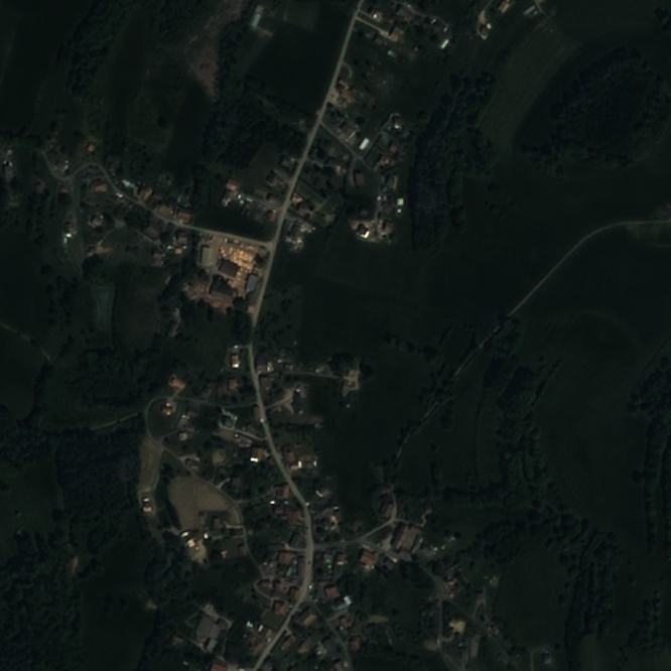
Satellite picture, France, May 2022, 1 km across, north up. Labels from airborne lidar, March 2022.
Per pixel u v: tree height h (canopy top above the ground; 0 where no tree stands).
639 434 0
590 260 0
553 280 0
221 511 0
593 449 0
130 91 0
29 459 21
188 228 0
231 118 24
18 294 0
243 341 22
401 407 0
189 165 0
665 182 0
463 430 0
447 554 0
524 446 15
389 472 11
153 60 0
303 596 0
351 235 0
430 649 0
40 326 0
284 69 0
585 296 0
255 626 6
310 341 0
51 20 0
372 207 0
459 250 0
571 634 10
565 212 0
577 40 0
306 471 6
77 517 22
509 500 30
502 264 0
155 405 0
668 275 0
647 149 0
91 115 9
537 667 0
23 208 0
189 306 22
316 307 0
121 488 16
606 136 13
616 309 0
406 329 0
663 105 7
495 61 0
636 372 0
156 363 0
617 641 0
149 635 0
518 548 9
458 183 19
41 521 0
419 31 15
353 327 0
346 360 16
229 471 6
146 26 0
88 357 9
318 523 7
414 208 26
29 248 0
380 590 0
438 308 0
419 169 9
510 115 0
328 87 0
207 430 0
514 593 0
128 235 0
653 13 0
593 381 0
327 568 0
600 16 0
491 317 0
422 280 0
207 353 0
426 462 0
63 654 30
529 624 0
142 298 0
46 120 0
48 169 0
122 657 0
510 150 0
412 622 0
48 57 0
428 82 0
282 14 0
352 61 0
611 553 19
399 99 0
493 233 0
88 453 27
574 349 0
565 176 12
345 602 0
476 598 0
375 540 0
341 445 0
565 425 0
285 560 0
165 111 0
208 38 0
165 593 11
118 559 0
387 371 0
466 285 0
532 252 0
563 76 0
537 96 0
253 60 0
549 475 15
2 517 0
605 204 0
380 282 0
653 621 11
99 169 6
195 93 0
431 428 0
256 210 0
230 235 0
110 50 22
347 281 0
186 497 0
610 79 14
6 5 0
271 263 0
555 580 0
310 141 0
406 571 20
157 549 20
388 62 0
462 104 7
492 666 0
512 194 0
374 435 0
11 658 29
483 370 0
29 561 26
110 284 0
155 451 0
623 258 0
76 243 0
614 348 0
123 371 21
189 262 10
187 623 0
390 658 6
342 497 0
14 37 0
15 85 0
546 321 0
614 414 0
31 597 25
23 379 0
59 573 23
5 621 7
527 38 0
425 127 0
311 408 0
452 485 0
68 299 16
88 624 0
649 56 0
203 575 14
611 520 0
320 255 0
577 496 0
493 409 0
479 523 0
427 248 14
